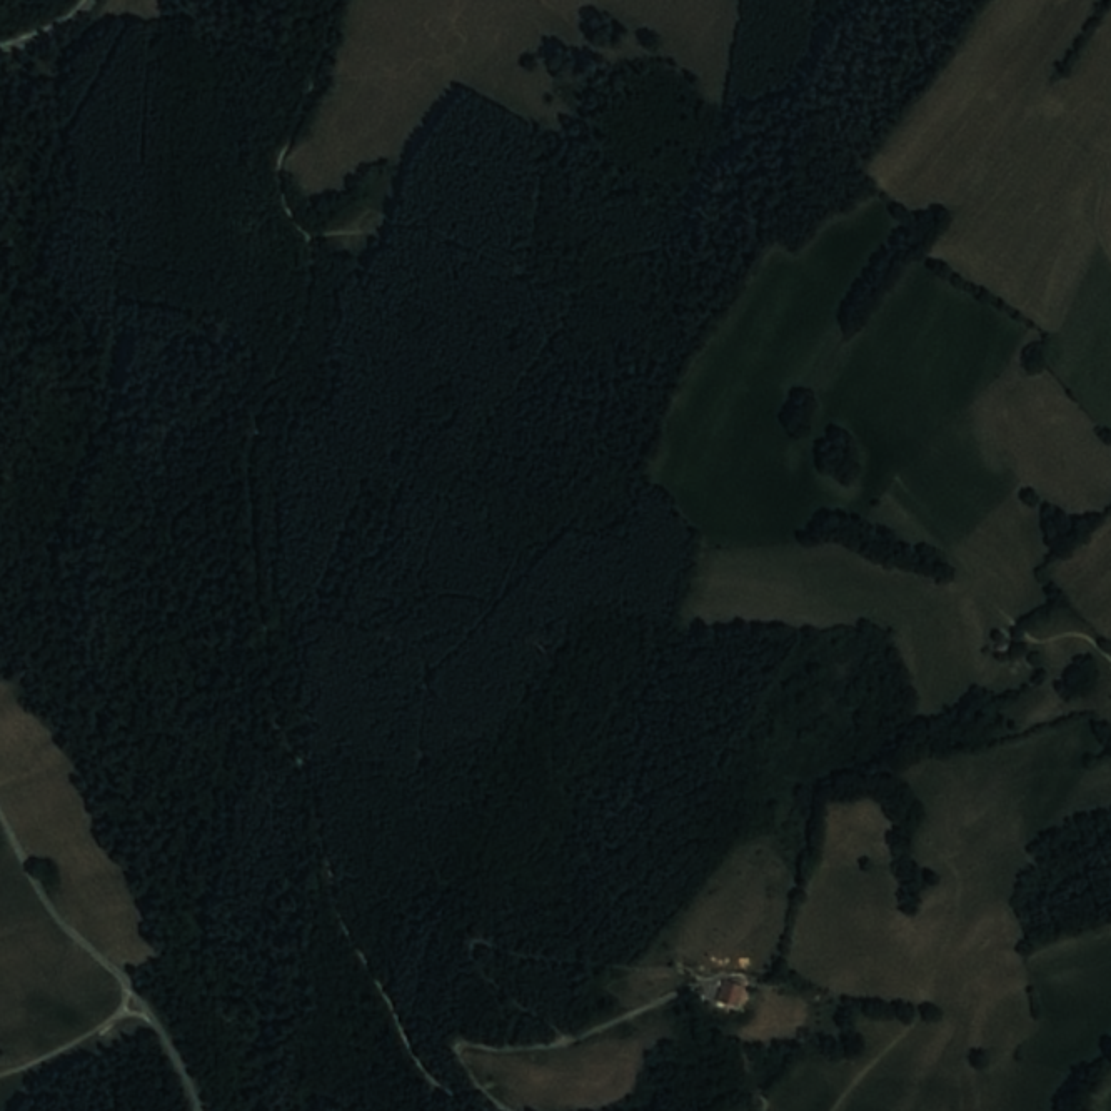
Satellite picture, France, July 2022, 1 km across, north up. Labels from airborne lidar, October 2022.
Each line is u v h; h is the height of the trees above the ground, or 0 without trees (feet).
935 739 46
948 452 0
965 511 0
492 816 35
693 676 53
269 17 28
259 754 42
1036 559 0
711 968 0
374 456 78
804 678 22
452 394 65
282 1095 46
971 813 0
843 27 83
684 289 42
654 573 72
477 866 22
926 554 57
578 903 52
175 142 55
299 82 37
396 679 65
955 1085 0
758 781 19
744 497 0
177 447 70
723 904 0
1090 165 0
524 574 49
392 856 43
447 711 71
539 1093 0
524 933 56
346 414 77
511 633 73
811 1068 0
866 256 0
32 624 85
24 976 0
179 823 44
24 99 61
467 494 44
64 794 0
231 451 67
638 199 53
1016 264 0
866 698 23
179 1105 55
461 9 0
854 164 65
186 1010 41
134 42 81
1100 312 0
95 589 78
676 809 48
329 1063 31
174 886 39
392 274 77
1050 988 0
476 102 84
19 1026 0
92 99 77
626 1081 0
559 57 85
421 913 72
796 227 69
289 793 69
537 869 29
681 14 0
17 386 39
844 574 0
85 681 28
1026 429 0
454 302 75
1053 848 44
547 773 31
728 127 42
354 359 75
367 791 49
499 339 68
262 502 57
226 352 78
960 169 0
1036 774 0
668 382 40
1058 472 0
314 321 44
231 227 30
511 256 78
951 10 80
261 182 36
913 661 0
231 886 92
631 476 43
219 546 62
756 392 0
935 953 0
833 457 63
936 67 65
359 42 0
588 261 26
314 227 36
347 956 40
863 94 84
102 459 49
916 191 0
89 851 0
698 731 56
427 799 49
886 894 0
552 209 42
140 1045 52
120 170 76
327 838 42
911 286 0
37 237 85
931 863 0
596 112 36
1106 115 0
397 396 80
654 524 80
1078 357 0
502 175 78
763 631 64
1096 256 0
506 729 39
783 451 0
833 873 0
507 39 0
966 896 0
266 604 28
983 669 0
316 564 80
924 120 0
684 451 0
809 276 0
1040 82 0
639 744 65
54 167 44
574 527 36
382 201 0
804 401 64
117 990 0
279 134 37
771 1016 0
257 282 30
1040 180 0
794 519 0
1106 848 66
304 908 88
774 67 23
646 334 47
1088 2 0
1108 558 0
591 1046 0
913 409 0
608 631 30
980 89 0
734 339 0
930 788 0
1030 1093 0
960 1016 0
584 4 0
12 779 0
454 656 74
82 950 0
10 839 0
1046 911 53
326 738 69
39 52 79
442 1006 69
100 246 94
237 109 35
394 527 78
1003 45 0
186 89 39
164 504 52
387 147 0
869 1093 0
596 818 55
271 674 63
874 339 0
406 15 0
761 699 47
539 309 52
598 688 29
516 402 49
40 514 31
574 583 74
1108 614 0
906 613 0
